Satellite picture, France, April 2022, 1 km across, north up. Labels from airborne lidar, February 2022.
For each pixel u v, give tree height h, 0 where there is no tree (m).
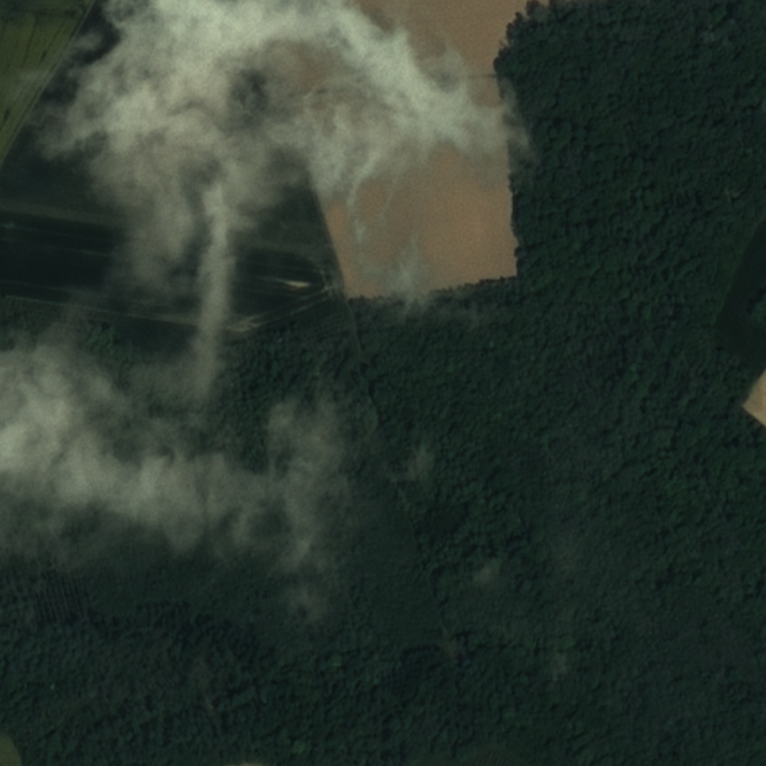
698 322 23
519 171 9
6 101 0
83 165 0
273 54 0
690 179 15
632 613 27
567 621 22
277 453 23
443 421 22
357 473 24
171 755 24
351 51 0
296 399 21
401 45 0
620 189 21
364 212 0
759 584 7
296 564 9
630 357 23
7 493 11
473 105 0
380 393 20
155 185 0
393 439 21
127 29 0
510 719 21
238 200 0
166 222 0
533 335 21
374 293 0
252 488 18
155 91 0
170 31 0
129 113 0
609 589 17
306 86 0
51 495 14
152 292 0
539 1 0
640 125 20
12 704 14
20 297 0
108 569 11
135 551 11
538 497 17
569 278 28
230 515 15
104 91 0
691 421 25
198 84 0
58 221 0
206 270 0
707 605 20
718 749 23
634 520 18
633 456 27
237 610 14
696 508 27
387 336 19
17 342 16
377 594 7
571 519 16
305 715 20
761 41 25
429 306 18
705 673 16
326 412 19
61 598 7
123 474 8
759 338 0
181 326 0
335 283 0
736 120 22
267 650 14
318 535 9
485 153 0
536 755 17
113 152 0
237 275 0
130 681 14
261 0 0
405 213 0
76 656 19
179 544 13
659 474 24
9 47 0
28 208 0
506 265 0
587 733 16
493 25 0
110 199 0
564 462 24
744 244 13
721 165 27
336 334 0
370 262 0
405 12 0
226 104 0
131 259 0
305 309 0
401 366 22
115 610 13
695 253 25
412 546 10
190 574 12
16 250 0
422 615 13
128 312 0
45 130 0
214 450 10
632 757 18
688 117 18
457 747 13
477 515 23
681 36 21
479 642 28
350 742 20
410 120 0
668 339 27
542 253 26
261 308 0
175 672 7
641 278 20
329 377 20
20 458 7
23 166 0
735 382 17
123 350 23
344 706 18
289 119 0
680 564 27
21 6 0
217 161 0
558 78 19
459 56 0
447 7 0
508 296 11
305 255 0
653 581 14
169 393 22
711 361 11
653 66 20
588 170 23
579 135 27
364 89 0
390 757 9
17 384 18
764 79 22
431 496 12
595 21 24
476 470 18
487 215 0
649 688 20
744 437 22
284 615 16
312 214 0
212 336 0
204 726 21
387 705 20
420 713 16
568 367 24
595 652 19
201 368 11
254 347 11
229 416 20
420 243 0
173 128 0
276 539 13
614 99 11
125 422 18
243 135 0
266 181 0
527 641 21
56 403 0
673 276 21
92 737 19
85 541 13
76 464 18
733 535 21
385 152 0
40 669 18
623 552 16
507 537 10
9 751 0
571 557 18
